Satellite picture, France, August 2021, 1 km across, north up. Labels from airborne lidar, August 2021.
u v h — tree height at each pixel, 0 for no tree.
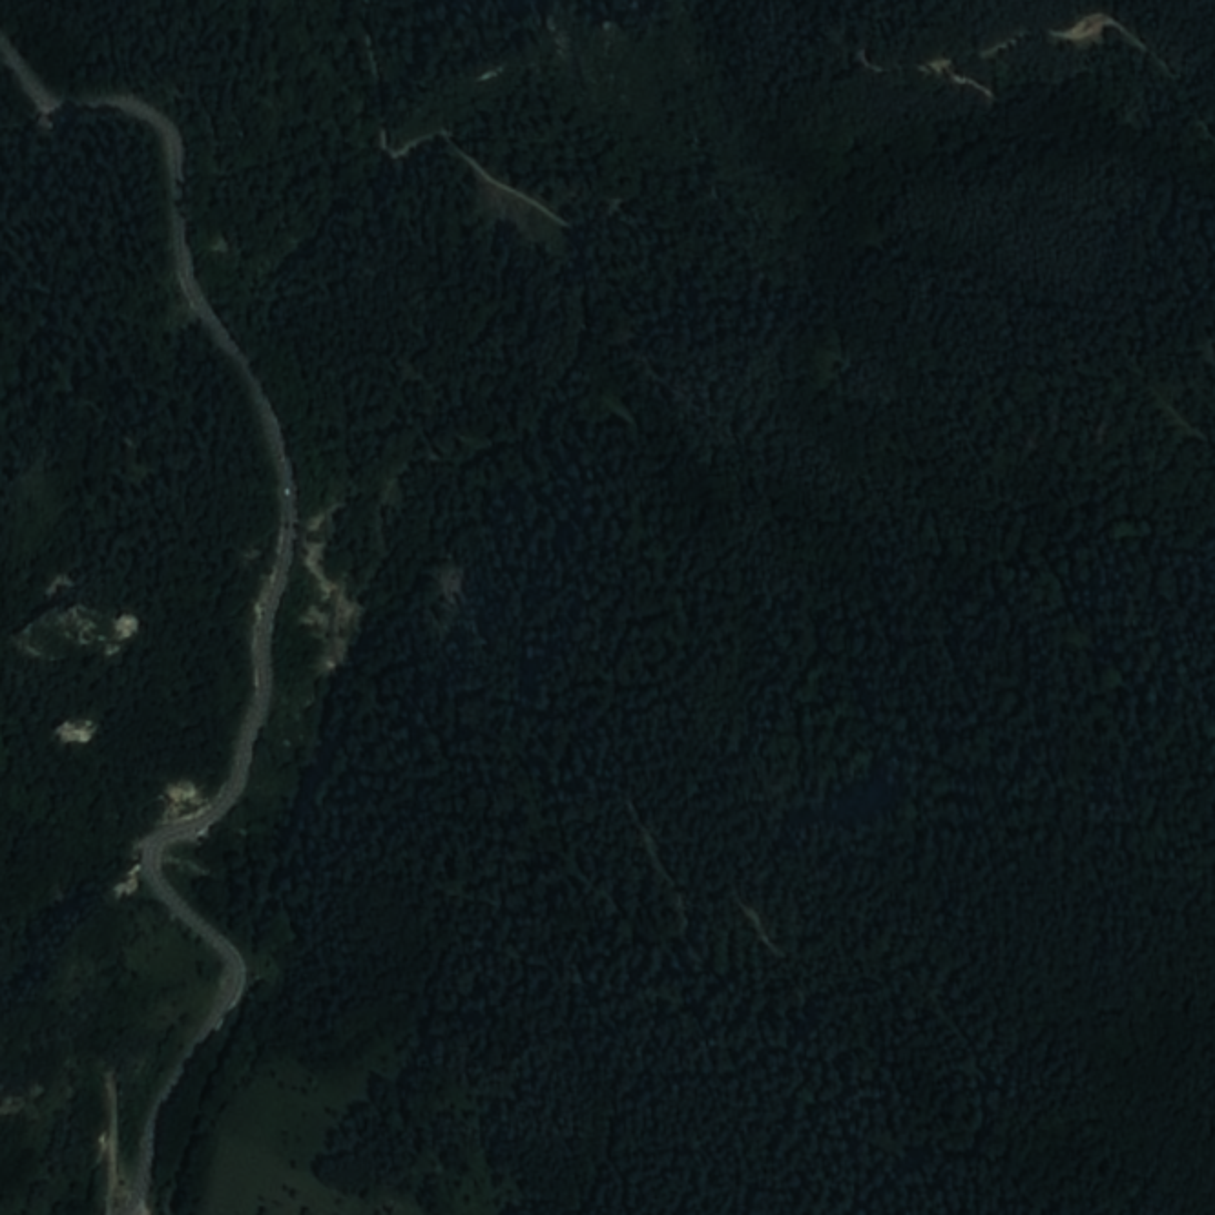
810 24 20
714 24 26
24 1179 16
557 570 36
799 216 9
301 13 18
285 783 7
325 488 20
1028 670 17
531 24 17
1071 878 19
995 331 30
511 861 28
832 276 28
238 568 21
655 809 28
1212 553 35
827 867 7
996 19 27
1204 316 20
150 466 21
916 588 33
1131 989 19
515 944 10
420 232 18
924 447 28
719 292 15
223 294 15
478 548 22
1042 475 10
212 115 16
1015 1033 28
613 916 29
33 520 12
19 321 14
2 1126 9
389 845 8
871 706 8
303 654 9
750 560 35
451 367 13
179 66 26
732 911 21
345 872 21
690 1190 24
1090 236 24
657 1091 22
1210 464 12
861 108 25
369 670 24
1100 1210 28
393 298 27
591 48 8
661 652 32
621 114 7
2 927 27
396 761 23
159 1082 10
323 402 25
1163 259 21
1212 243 28
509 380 24
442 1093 17
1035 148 23
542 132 29
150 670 25
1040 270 27
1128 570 33
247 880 18
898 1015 7
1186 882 15
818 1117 25
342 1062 18
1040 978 21
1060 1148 24
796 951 13
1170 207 31
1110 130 22
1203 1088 21
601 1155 22
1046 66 17
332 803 14
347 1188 15
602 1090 21
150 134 12
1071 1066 28
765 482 25
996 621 30
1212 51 22
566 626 25
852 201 27
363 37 11
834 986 15
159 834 0
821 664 24
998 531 24
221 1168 0
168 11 12
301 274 29
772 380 25
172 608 22
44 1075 13
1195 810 29
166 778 21
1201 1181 21
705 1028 28
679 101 17
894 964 16
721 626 32
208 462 26
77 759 20
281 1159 0
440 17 36
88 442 12
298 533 11
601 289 32
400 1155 20
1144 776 21
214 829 9
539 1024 26
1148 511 29
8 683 32
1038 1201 26
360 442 18
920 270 22
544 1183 22
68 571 8
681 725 25
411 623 20
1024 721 27
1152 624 26
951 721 26
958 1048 22
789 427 28
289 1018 29
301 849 10
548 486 8
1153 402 12
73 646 10
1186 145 14
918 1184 31
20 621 14
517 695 20
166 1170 17
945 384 24
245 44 18
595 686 17
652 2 36
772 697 26
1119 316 28
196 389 31
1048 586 33
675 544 26
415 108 17
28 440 29
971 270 23
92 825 18
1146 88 11
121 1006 12
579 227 32
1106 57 18
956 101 22
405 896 23
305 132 25
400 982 23
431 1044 14
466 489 35
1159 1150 20
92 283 25
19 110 20
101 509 23
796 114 18
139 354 17
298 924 32
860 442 28
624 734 10
